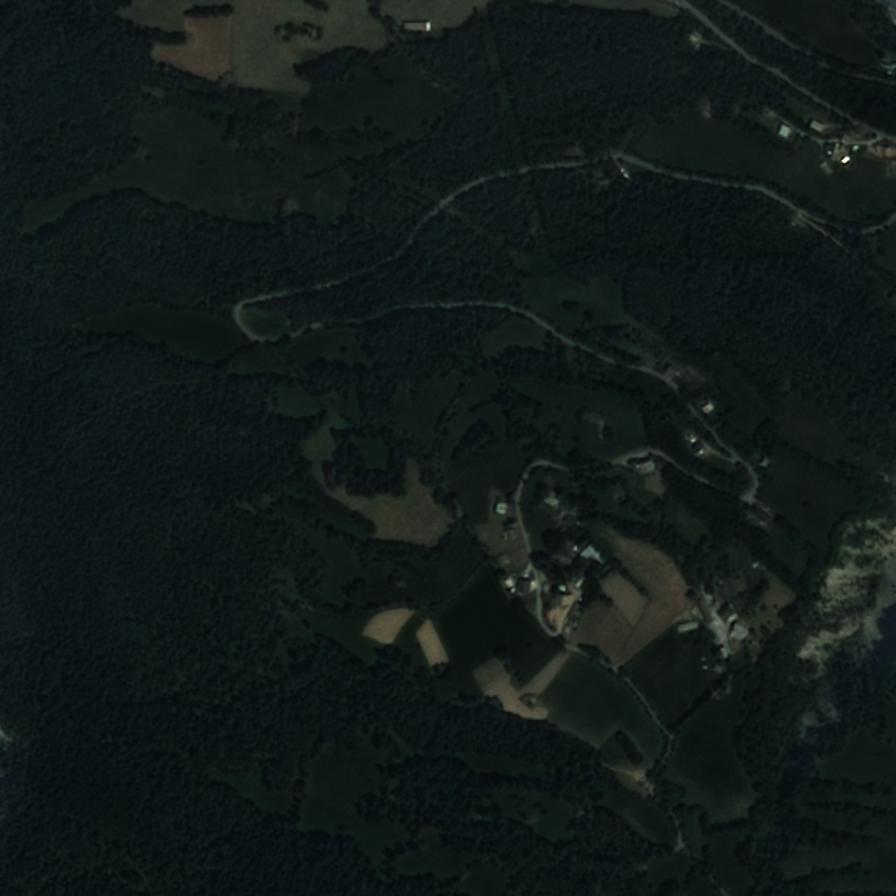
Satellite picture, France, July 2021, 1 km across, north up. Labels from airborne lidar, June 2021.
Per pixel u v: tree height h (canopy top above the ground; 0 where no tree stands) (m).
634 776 0
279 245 22
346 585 0
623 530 10
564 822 0
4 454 19
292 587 0
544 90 13
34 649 15
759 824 9
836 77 16
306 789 13
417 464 8
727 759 0
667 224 23
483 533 0
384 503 0
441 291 11
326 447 0
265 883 23
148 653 16
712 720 0
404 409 0
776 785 12
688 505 13
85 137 19
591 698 0
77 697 28
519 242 17
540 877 19
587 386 7
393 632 0
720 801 0
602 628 0
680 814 9
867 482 14
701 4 9
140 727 28
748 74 12
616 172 6
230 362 9
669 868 0
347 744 17
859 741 0
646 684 0
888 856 0
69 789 22
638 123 14
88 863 26
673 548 8
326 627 0
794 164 0
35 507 16
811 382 18
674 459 9
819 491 0
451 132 16
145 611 18
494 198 13
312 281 17
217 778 0
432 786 30
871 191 0
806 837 15
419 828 22
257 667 19
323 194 0
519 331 0
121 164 13
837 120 6
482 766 0
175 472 21
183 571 21
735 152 0
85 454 13
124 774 30
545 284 0
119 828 23
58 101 18
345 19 0
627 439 0
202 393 17
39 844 18
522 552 0
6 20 23
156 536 23
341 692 27
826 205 0
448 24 0
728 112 16
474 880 0
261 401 14
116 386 14
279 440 25
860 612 7
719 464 0
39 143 29
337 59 19
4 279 12
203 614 24
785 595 0
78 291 20
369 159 14
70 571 21
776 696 15
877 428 14
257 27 0
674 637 0
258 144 10
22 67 14
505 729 23
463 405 0
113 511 16
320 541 0
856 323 27
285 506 13
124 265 15
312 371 12
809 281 24
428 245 18
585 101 13
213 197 0
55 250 13
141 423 15
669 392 7
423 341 21
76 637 24
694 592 12
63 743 22
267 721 18
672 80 15
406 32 11
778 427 11
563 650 14
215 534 28
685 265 10
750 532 21
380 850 0
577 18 25
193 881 30
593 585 16
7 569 14
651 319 9
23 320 17
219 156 0
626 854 26
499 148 17
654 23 21
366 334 19
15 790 7
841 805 9
